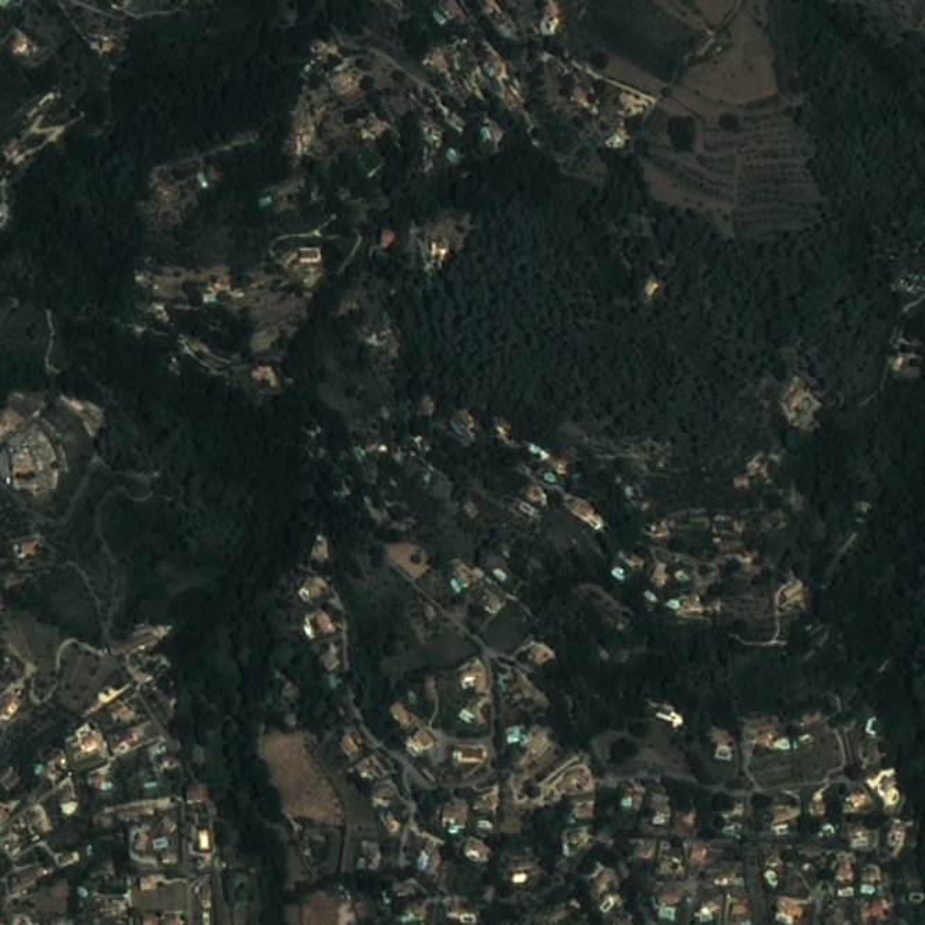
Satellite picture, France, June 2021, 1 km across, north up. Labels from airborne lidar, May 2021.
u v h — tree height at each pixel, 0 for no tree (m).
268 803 22
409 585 7
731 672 17
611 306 17
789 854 11
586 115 6
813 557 19
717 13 0
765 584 10
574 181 11
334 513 19
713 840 14
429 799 13
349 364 13
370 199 6
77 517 9
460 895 6
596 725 19
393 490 7
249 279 12
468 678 0
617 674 18
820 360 23
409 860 6
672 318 15
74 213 13
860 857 10
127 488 6
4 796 6
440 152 8
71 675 0
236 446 10
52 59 7
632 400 14
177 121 25
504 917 10
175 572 0
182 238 11
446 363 17
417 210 11
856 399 6
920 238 12
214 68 13
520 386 18
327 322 16
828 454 16
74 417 0
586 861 12
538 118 6
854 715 10
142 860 0
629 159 11
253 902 8
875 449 22
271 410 8
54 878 7
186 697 12
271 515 12
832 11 8
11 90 7
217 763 0
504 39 11
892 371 8
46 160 15
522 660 10
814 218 6
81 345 16
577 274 8
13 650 0
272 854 8
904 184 17
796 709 12
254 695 25
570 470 12
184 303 7
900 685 21
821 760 0
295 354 17
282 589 7
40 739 11
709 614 10
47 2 12
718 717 13
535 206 11
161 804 0
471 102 14
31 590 8
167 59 14
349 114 11
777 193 6
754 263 23
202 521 15
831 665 10
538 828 16
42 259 13
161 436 12
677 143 11
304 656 14
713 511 8
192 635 15
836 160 17
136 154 19
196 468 12
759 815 6
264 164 13
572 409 17
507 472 6
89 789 6
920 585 11
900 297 16
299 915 0
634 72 0
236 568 14
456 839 6
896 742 24
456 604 9
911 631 15
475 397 19
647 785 10
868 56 18
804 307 19
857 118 6
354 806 0
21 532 6
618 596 19
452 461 10
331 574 14
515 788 0
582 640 18
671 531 6
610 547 22
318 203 7
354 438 9
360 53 11
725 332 18
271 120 11
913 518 19
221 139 9
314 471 14
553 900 13
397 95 19
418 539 6
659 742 0
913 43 12
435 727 8
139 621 17
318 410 16
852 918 7
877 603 21
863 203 13
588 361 15
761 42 0
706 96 0
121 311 10
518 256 18
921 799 15
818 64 13
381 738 11
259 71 18
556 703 12
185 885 0
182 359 16
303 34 21
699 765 10
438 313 18
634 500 5
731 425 21
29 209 13
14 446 0
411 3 11
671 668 18
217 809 11
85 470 10
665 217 13
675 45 7
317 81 13
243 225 11
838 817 13
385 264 14
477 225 18
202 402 18
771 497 9
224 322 8
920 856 13
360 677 12
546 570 6
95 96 15
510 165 15
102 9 6
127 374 11
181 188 6
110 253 11
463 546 0
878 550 26
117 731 6
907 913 13
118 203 16
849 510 19
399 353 11
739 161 0
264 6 21
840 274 7
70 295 15
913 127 20
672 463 6
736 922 0
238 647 8
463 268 21
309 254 0
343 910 0
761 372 16
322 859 8
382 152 11
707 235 16
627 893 14
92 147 16
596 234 14
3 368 14
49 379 9
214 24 8
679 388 19
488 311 16
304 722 14
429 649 0
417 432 18
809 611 6
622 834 12
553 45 13
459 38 6
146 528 7
